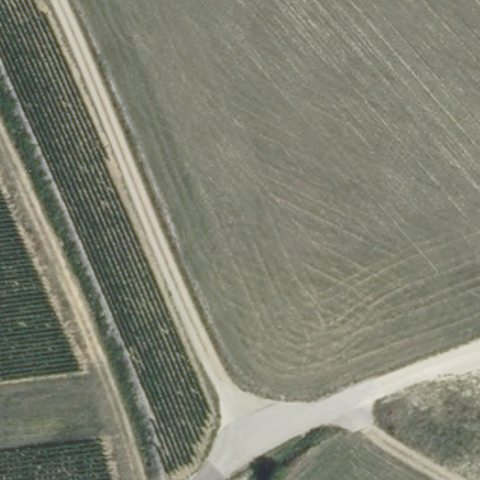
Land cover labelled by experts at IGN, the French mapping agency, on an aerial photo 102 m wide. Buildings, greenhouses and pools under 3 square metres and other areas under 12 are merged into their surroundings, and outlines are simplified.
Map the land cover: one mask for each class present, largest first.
<instances>
[{"label":"agricultural land","instance_id":"1","mask_svg":"<svg viewBox=\"0 0 480 480\"><path fill-rule=\"evenodd\" d=\"M75 15V21L81 28L86 47L94 58L97 73L105 86L118 124L122 127L129 152L137 165V171L141 174L146 195L156 212L157 223L171 249L172 259L178 266L189 298L197 309L202 326L210 337L217 358L227 371L232 384H236L242 392H249L262 399L311 403L334 396L358 382L388 375L392 371L412 366L442 352L452 351L471 341L480 343V0H67ZM97 371L88 375H73L71 371L19 379H0V448L58 439H94L101 444L103 424L99 420V401L94 390ZM281 480H433L424 472L416 471L411 465H407L405 461L384 452L375 442L366 439L362 431H349L341 427L336 435L324 437L315 446H311L306 454L298 457L291 467H287Z\"/></svg>","mask_w":480,"mask_h":480},{"label":"vineyard","instance_id":"2","mask_svg":"<svg viewBox=\"0 0 480 480\"><path fill-rule=\"evenodd\" d=\"M0 116L4 120L7 135L11 137L21 156L22 165L28 172V178L36 191L37 199L41 202L45 216L51 223L52 231L62 244L69 270L79 283L82 298L90 309V317L96 324L99 343L109 358L118 390L124 399L148 480H191L193 474L201 471L208 459L221 424V409L216 388L189 339L180 311L176 309V304L172 300V292L167 287V281L159 272L154 251L146 238L141 217L129 193L120 163L114 156L94 97L88 90L81 66L69 45L66 30L56 15L51 0H0ZM79 369V362L69 347V341L60 322L54 315L43 283L37 276L32 259L22 244L21 236L7 210L6 201L0 193V379H19L71 371ZM0 480H111L101 444L94 439H58L0 448Z\"/></svg>","mask_w":480,"mask_h":480},{"label":"pervious surface","instance_id":"3","mask_svg":"<svg viewBox=\"0 0 480 480\"><path fill-rule=\"evenodd\" d=\"M56 15L66 30L69 45L81 66L88 90L94 97L114 156L120 163L129 193L141 217L146 238L154 251L159 272L167 281V287L172 292V300L176 304V309L180 311L189 339L216 388L221 409V424L208 459L225 478H229L232 472L238 471L240 467L249 465L255 457L266 454L268 450L289 441L292 437L306 435L313 427H341L349 431H362L366 439L375 442L384 452L405 461L407 465H411L416 471L424 472L433 480H465L448 467L435 463L433 459L422 456L418 450L390 437L373 420V403L381 397L401 392L414 382L454 381L465 373L476 375L480 371V343L471 341L452 351L442 352L412 366L392 371L388 375L358 382L334 396L311 403L262 399L249 392H242L236 384H232L227 371L217 358L210 337L202 326L197 309L189 298L178 266L172 259L171 249L157 223L156 212L146 195L141 174L137 171V165L129 152L122 127L118 124L105 86L97 73L94 58L86 47L81 28L75 21V15L67 0H51Z\"/></svg>","mask_w":480,"mask_h":480},{"label":"herbaceous vegetation","instance_id":"4","mask_svg":"<svg viewBox=\"0 0 480 480\"><path fill-rule=\"evenodd\" d=\"M0 193L6 201L7 210L21 236L22 244L32 259L37 276L43 283L54 315L60 322L69 341V347L79 362V369L71 371L73 375H88L97 371L94 390L99 401V420L103 424L101 444L111 480H148L124 399L118 390L109 358L99 343L96 324L90 317V309L82 298L79 283L69 270L62 244L52 231L51 223L45 216L41 202L37 199L36 191L28 178V172L22 165L21 156L11 137L7 135L4 120L0 116ZM373 420L390 437L418 450L422 456L433 459L435 463L448 467L465 480H480V371L476 375L465 373L454 381L414 382L401 392L381 397L373 403Z\"/></svg>","mask_w":480,"mask_h":480},{"label":"coniferous trees","instance_id":"5","mask_svg":"<svg viewBox=\"0 0 480 480\"><path fill-rule=\"evenodd\" d=\"M341 427H313L306 435L292 437L289 441L268 450L266 454L255 457L249 465L240 467L238 471L232 472L229 478H225V480H281L287 467H291L298 457L306 454L311 446H315L324 437L336 435Z\"/></svg>","mask_w":480,"mask_h":480},{"label":"impervious surface","instance_id":"6","mask_svg":"<svg viewBox=\"0 0 480 480\"><path fill-rule=\"evenodd\" d=\"M191 480H225V478L208 459L201 471L193 474Z\"/></svg>","mask_w":480,"mask_h":480}]
</instances>
